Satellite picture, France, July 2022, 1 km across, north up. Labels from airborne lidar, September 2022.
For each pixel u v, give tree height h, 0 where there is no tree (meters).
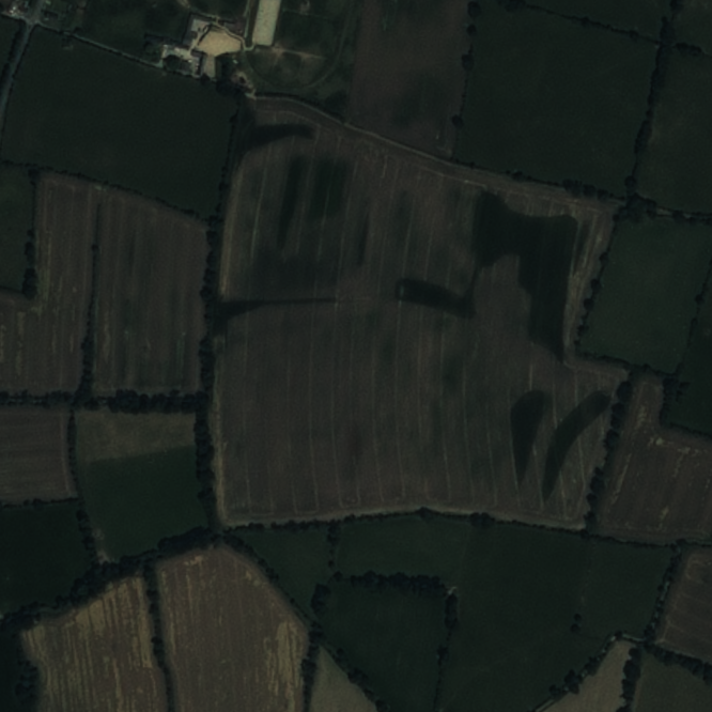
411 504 0
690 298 0
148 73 0
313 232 0
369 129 0
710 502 0
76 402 18
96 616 0
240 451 0
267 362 0
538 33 0
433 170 0
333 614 0
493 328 0
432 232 0
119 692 0
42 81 0
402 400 0
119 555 0
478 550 0
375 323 0
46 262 0
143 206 0
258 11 0
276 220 0
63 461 0
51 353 0
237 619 0
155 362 0
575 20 6
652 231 0
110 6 0
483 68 0
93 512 0
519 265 0
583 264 0
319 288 0
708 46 0
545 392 0
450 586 0
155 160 0
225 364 0
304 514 0
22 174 0
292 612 0
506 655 0
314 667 16
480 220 0
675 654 7
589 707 0
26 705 16
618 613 0
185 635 0
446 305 0
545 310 0
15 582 0
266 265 0
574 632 11
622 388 13
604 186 0
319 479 0
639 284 0
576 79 0
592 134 0
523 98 0
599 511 0
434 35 0
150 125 0
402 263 0
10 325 0
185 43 0
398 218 0
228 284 0
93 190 0
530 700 0
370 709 0
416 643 0
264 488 0
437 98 0
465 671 0
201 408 22
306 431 0
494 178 0
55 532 0
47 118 0
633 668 20
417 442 0
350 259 0
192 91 0
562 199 0
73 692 0
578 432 0
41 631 0
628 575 0
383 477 0
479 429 0
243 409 0
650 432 0
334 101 0
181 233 0
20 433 0
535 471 0
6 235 0
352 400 0
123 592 0
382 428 0
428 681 0
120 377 0
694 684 0
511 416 0
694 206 0
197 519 0
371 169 0
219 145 0
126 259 0
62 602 17
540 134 0
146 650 0
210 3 0
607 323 0
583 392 0
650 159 0
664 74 12
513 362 0
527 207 0
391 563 0
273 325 0
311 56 0
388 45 0
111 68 0
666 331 0
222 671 0
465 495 0
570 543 0
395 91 0
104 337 0
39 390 0
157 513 0
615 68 0
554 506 0
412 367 0
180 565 0
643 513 0
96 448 0
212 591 0
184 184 0
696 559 0
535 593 0
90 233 0
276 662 0
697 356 0
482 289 0
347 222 0
